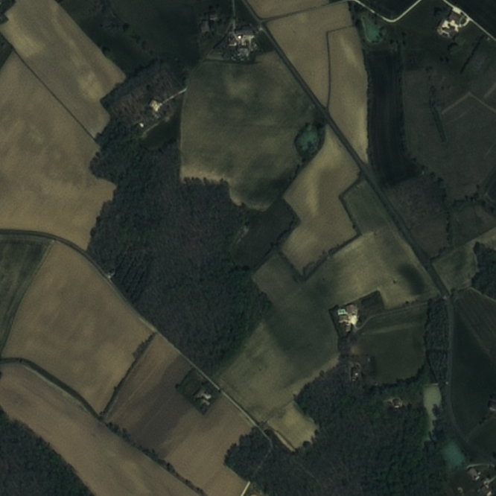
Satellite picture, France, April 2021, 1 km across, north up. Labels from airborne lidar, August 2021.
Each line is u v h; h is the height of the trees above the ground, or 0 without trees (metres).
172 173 20
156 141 0
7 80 0
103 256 18
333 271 0
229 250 15
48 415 0
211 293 20
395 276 0
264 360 0
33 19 0
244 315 23
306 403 14
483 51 0
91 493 18
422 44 0
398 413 19
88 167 0
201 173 0
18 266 0
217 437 0
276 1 0
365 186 0
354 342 15
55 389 0
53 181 0
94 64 0
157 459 11
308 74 0
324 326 0
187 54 0
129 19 0
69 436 0
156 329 11
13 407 0
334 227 0
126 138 17
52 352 0
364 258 0
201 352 15
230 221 20
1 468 15
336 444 19
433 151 0
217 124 0
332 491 15
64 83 0
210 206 19
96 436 0
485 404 0
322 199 0
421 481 18
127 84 13
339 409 17
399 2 0
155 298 21
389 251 0
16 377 0
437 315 16
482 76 0
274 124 0
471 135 0
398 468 26
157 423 0
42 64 0
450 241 11
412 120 0
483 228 0
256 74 0
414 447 24
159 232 21
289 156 0
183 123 0
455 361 0
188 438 0
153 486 0
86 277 0
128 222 19
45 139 0
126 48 0
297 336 0
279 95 0
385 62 0
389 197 0
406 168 0
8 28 0
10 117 0
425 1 0
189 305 21
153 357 0
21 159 0
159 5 0
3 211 0
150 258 11
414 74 0
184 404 0
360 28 8
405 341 0
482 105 0
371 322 0
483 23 0
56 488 20
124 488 0
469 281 0
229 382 0
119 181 17
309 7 0
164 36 0
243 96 0
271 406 0
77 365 0
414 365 0
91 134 0
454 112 0
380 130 0
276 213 0
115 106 12
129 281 12
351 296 0
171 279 21
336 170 0
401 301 0
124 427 0
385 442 18
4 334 0
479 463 0
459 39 24
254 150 0
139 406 0
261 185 0
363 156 0
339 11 0
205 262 19
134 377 0
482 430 0
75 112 0
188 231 16
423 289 0
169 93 13
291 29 0
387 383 0
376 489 22
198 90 0
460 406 0
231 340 20
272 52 0
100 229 16
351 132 0
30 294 0
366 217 0
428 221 0
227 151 0
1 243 0
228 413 0
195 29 0
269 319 0
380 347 0
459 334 0
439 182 7
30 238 0
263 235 0
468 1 0
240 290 25
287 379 0
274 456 18
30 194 0
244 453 15
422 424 22
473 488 0
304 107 0
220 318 21
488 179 0
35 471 16
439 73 0
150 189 17
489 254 13
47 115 0
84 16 6
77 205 0
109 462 0
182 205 18
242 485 0
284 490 19
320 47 0
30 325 0
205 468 0
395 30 0
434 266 0
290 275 0
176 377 0
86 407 0
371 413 22
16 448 19
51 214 0
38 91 0
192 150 0
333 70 0
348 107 0
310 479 18
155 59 7
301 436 0
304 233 0
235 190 0
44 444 19
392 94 0
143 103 11
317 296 0
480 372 0
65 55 0
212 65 0
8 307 0
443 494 16
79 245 0
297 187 0
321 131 15
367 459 19
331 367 0
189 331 17
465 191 0
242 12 0
